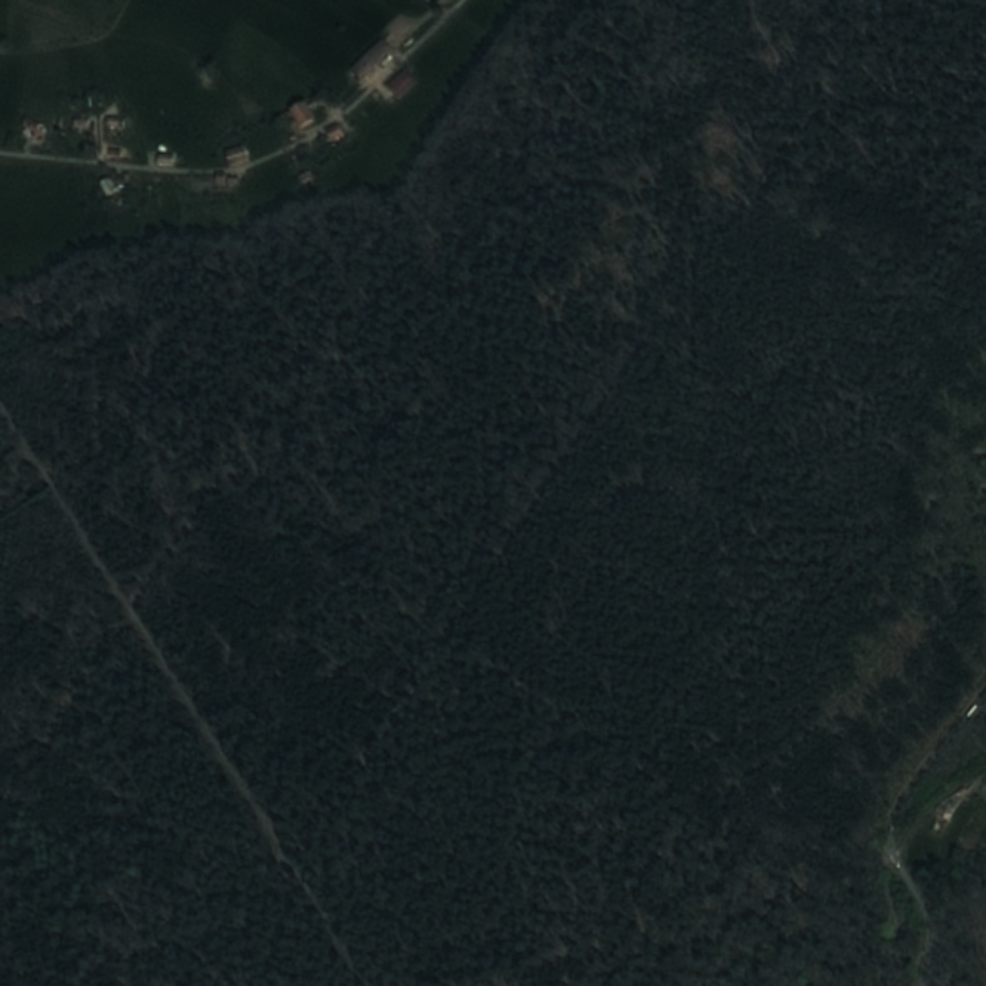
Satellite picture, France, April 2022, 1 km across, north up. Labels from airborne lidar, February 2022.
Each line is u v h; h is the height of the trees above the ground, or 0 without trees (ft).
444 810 118
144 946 89
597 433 88
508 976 95
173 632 59
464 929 23
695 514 94
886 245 68
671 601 83
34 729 63
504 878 113
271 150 0
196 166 0
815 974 104
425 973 94
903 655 58
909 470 60
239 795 116
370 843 116
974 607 82
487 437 115
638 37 104
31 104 0
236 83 0
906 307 87
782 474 84
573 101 119
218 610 67
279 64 0
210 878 88
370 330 72
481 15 0
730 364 82
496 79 80
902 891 42
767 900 51
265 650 63
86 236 0
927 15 39
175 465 62
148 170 0
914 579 28
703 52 55
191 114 0
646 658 93
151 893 74
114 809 82
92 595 61
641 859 88
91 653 38
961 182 88
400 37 0
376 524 73
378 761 105
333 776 46
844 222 57
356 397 27
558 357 119
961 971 122
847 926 98
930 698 61
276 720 55
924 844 0
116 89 0
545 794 94
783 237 71
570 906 103
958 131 105
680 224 46
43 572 63
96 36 0
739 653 80
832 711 49
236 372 122
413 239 108
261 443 92
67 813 47
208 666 53
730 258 81
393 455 118
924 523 45
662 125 43
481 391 115
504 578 87
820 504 90
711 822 60
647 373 88
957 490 61
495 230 110
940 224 45
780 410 99
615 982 52
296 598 52
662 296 98
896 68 83
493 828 110
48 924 51
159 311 68
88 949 51
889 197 56
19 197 0
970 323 86
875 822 69
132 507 56
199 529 45
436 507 47
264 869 39
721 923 90
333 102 51
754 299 86
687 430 83
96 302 90
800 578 98
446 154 48
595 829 79
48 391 53
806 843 84
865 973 94
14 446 54
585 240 109
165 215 0
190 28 0
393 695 44
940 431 64
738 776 67
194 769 120
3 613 52
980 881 105
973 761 96
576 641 93
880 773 67
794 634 71
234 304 61
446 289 75
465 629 90
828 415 87
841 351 90
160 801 104
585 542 107
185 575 53
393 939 108
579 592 89
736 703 71
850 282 78
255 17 0
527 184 56
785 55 65
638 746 83
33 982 71
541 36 100
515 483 111
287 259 115
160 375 60
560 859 86
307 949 100
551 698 102
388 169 0
